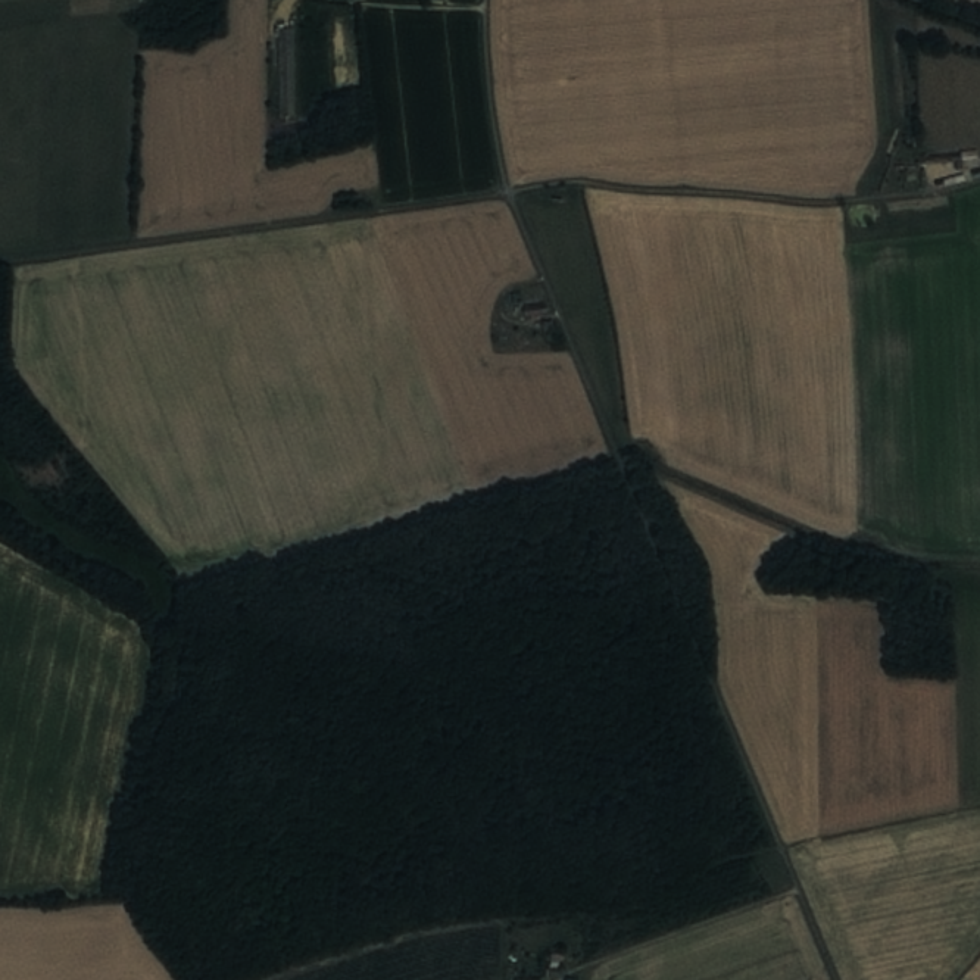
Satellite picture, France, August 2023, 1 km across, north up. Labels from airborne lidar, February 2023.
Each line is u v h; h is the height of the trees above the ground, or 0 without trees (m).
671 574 19
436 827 20
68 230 0
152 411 0
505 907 20
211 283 0
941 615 16
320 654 19
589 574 17
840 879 0
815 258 0
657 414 0
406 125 0
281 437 0
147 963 0
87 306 0
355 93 10
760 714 0
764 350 0
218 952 17
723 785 10
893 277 0
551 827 26
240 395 0
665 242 0
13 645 0
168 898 19
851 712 0
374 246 0
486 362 0
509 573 18
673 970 0
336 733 20
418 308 0
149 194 0
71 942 0
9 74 0
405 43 0
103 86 0
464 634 22
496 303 0
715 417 0
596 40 0
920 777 0
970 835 0
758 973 0
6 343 16
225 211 0
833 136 0
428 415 0
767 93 0
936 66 0
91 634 0
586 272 0
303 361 0
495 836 28
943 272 0
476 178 0
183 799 17
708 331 0
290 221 0
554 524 22
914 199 0
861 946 0
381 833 18
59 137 0
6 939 0
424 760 19
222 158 0
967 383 0
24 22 0
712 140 0
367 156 0
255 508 0
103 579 16
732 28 0
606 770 23
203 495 0
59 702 0
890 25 0
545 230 0
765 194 0
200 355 0
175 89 0
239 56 0
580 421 0
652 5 0
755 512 0
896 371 0
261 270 0
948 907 0
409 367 0
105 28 0
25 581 0
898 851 0
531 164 0
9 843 0
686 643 17
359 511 0
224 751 18
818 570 24
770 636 0
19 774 0
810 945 0
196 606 19
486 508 20
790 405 0
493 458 0
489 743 25
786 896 0
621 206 0
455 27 0
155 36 6
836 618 0
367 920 21
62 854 0
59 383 0
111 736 0
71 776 0
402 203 0
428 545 19
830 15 0
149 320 0
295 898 19
